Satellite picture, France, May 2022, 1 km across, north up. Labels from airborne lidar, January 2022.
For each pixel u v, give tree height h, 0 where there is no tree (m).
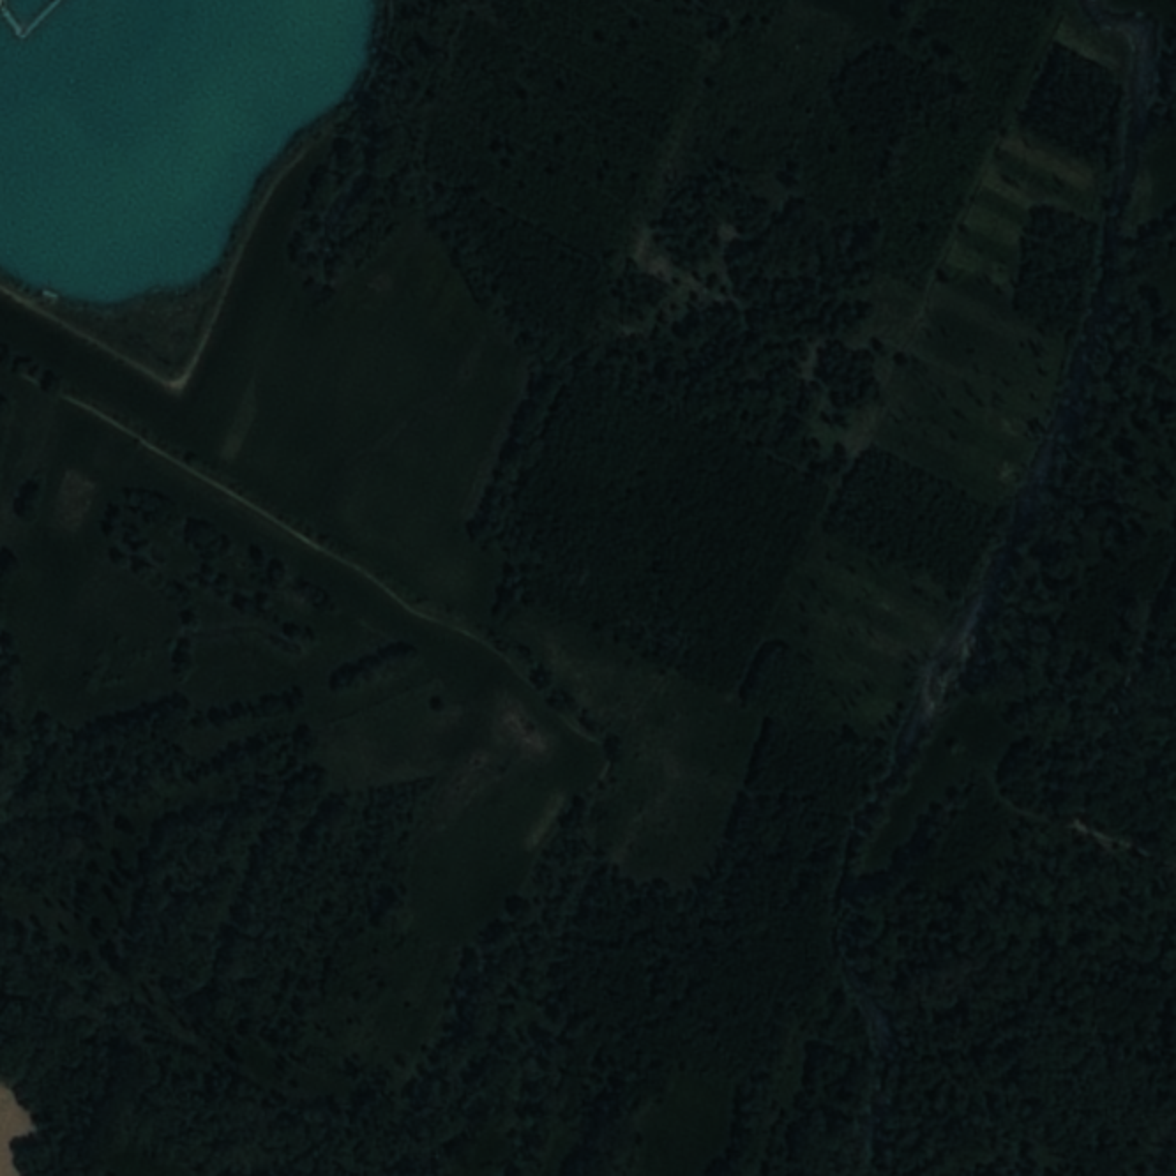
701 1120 0
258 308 0
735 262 17
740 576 12
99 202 0
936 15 6
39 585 0
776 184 0
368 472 0
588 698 0
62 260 0
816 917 21
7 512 0
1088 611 7
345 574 0
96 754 20
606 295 10
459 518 0
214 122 0
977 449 0
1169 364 22
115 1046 7
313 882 23
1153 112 7
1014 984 26
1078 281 22
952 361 0
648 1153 0
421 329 0
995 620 23
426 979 0
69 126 0
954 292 0
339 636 0
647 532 12
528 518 13
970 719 0
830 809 15
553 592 16
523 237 12
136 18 0
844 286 18
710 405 17
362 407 0
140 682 0
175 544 0
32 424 0
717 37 17
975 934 28
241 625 0
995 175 0
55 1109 17
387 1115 24
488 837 0
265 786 21
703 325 18
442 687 0
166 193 0
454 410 0
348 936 14
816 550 0
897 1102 14
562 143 12
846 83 10
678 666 14
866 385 17
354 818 14
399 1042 0
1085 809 25
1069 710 30
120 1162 0
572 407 15
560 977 21
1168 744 24
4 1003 24
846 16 0
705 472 11
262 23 0
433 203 19
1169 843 26
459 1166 30
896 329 0
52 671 0
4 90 0
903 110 10
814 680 14
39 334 0
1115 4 0
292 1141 23
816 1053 20
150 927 26
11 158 0
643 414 18
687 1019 20
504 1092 27
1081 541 34
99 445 0
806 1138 28
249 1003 21
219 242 0
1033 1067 22
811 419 8
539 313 13
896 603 0
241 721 14
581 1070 20
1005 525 8
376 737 0
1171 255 16
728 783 0
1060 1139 22
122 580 0
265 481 0
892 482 10
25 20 0
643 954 22
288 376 0
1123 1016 25
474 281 14
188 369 0
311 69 0
